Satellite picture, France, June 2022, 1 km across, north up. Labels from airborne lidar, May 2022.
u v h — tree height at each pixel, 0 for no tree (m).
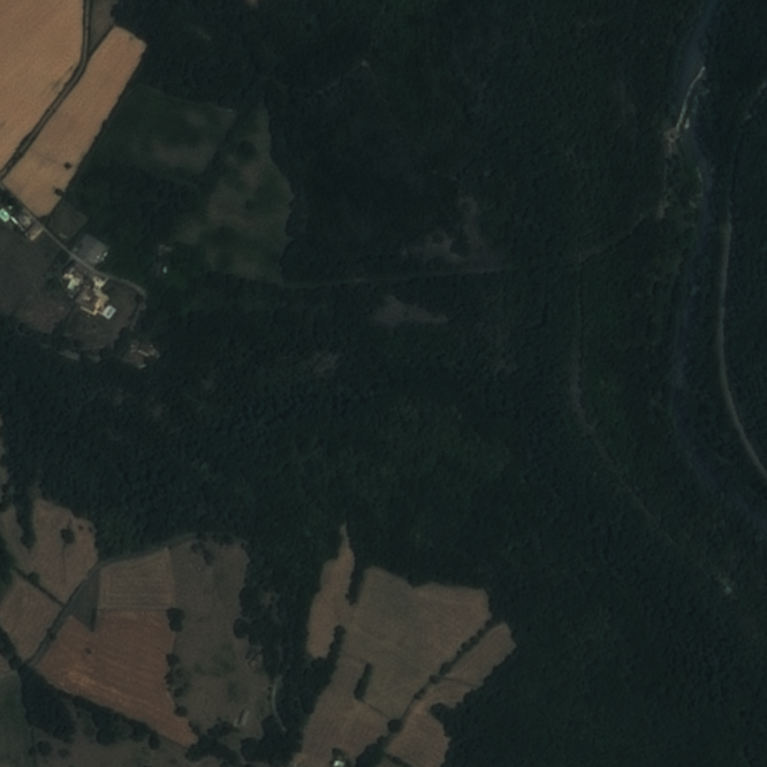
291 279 20
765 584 7
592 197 7
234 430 22
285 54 7
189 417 20
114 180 8
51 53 0
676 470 22
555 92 11
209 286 8
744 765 27
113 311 0
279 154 19
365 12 17
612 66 14
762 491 15
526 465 24
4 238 0
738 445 10
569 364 7
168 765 0
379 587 0
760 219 7
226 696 0
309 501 12
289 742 15
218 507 13
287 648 13
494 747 23
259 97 20
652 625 14
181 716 14
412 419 13
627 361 22
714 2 0
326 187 10
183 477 22
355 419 21
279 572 15
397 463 13
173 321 9
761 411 14
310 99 22
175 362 18
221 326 17
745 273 14
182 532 12
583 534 21
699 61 0
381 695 0
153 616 0
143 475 7
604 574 24
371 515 18
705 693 28
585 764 18
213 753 14
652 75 17
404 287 17
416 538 14
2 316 6
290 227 14
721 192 17
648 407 23
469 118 17
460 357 23
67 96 0
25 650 0
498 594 19
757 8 26
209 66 13
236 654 0
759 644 8
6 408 16
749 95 17
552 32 17
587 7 20
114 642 0
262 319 9
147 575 0
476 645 7
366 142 7
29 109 0
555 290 22
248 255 0
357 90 7
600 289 18
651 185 12
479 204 7
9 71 0
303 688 13
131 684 0
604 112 18
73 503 17
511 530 19
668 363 36
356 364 20
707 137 34
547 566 12
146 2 13
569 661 10
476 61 6
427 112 7
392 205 6
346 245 6
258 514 17
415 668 0
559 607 17
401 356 20
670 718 14
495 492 19
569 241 15
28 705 18
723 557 11
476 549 19
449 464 16
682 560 11
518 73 17
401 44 17
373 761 20
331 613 0
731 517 20
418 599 0
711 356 24
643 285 20
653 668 22
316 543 11
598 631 11
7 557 20
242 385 19
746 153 21
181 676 8
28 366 18
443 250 0
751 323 11
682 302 11
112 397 7
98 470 12
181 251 8
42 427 17
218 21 11
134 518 9
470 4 8
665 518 11
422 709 0
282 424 20
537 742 16
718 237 21
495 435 22
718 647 12
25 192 0
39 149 0
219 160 16
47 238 0
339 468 12
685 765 19
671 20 19
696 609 21
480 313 10
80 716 10
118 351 12
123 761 0
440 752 0
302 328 18
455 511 16
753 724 24
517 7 7
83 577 0
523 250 23
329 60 7
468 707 14
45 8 0
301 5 14
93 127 0
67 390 17
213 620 0
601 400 17
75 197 8
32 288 0
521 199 21
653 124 14
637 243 19
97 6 0
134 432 14
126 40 0
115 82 0
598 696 17
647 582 21
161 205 5
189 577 0
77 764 0
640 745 14
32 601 0
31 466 18
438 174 6
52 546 0
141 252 6
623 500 11
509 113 18
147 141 0
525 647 17
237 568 0
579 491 24
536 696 15
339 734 0
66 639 0
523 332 17
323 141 7
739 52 30
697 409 8
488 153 18
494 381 19
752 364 18
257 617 9
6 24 0
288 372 7
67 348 16
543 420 23
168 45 8
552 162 24
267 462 12
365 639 0
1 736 0
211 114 0
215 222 0
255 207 8
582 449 16
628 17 17
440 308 17
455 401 23
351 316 22
